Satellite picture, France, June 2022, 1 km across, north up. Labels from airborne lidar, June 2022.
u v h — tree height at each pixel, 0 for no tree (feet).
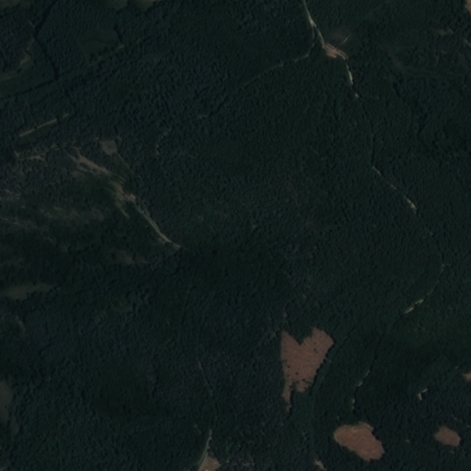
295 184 34
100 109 80
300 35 40
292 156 23
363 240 84
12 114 33
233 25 32
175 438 58
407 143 75
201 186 44
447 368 81
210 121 47
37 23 47
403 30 28
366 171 62
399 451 69
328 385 67
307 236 29
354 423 98
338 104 79
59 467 41
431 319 41
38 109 54
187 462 74
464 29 83
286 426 34
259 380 58
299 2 27
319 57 35
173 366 35
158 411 80
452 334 38
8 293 0
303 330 58
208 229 68
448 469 68
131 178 31
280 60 35
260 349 42
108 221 21
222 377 56
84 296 59
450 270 55
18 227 34
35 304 34
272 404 56
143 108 83
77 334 61
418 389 96
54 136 45
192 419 63
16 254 38
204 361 35
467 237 91
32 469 58
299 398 106
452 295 60
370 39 23
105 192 34
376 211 80
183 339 48
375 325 83
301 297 38
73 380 79
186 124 58
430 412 105
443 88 83
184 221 52
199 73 78
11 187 37
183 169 64
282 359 21
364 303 105
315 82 35
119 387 76
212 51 50
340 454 77
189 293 41
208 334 56
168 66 70
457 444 0
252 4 41
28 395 40
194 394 51
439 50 47
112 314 62
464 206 69
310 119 28
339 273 62
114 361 50
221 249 72
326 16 29
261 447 40
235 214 52
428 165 76
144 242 24
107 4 51
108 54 44
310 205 25
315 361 0
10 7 36
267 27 69
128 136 51
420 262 58
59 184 55
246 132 22
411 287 33
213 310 51
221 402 40
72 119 35
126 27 103
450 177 97
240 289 63
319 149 37
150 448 55
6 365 41
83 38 91
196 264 60
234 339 51
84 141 26
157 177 57
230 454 49
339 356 78
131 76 50
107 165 52
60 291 45
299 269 47
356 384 65
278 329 23
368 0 39
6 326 26
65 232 35
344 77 24
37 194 24
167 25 99
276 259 61
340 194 69
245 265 64
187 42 63
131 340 48
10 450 55
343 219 31
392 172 81
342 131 66
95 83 89
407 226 79
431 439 69
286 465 56
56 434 41
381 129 86
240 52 28
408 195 69
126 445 37
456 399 88
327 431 80
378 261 59
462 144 74
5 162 48
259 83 30
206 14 47
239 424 44
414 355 80
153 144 36
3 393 0
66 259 66
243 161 43
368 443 0
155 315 63
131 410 76
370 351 86
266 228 69
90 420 62
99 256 46
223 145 43
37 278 54
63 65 105
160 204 51
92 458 37
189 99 87
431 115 94
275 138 35
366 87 80
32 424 80
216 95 81
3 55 57
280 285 65
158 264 42
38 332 56
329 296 70
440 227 80
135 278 52
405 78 65
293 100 24
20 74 43
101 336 55
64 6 115
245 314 53
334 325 102
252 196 58
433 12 29
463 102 61
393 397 94
